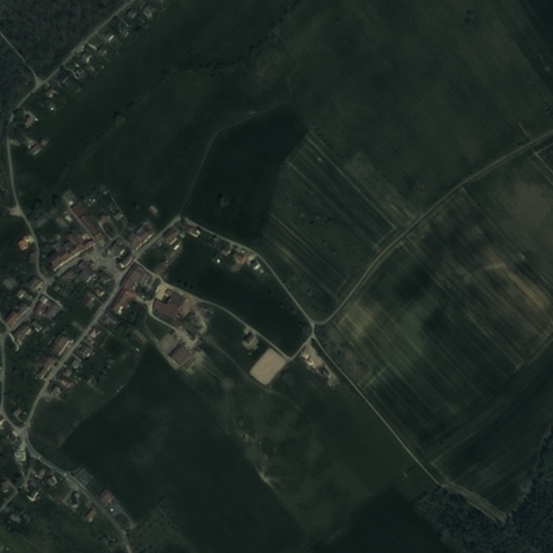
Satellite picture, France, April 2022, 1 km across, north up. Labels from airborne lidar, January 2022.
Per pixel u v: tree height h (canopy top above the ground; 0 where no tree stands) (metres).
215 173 0
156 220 0
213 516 0
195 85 0
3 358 0
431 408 0
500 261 0
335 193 0
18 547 0
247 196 0
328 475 0
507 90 0
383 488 0
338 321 0
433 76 0
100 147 0
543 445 0
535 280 0
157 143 0
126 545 0
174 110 0
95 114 0
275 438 0
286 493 0
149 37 0
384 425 0
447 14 0
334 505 0
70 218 0
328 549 0
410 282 0
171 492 0
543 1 0
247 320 0
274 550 0
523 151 0
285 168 0
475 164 0
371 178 0
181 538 0
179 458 0
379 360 0
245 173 0
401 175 0
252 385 0
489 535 30
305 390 0
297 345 0
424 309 0
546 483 15
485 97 0
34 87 0
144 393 0
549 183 0
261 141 0
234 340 0
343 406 0
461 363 0
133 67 0
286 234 0
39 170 0
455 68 0
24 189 0
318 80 0
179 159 0
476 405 0
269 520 0
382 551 0
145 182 0
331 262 0
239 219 0
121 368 0
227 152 0
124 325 8
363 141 0
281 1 0
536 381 0
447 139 0
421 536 0
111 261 0
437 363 0
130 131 0
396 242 0
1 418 0
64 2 25
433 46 0
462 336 0
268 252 0
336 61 0
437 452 0
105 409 0
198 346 0
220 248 0
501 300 0
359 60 0
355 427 0
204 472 0
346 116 0
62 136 0
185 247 0
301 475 0
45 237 0
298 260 0
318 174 0
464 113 0
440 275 0
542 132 0
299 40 0
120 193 0
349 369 0
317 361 0
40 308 0
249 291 0
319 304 0
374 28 0
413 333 0
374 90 0
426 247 0
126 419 0
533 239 0
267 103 0
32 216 8
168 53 0
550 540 31
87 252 0
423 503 14
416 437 0
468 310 0
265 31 0
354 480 0
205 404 0
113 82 0
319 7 0
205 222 0
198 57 0
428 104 0
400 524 0
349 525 0
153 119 0
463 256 0
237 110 0
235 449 0
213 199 0
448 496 24
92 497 0
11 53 21
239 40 0
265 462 0
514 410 0
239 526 0
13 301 0
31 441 0
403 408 0
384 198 0
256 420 0
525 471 0
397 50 0
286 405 0
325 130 0
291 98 0
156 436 0
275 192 0
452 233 0
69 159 0
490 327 0
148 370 0
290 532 0
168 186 0
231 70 12
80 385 0
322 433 0
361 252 0
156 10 0
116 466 0
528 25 0
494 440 0
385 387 0
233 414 0
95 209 0
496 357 0
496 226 0
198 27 0
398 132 0
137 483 0
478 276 0
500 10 0
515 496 0
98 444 0
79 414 0
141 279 0
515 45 0
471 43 0
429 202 0
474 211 0
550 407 0
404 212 0
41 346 6
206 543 0
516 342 0
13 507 8
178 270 0
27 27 27
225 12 0
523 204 0
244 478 0
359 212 0
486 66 0
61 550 0
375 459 0
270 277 0
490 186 0
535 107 0
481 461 0
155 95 0
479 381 0
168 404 0
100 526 0
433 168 0
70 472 0
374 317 0
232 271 0
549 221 0
